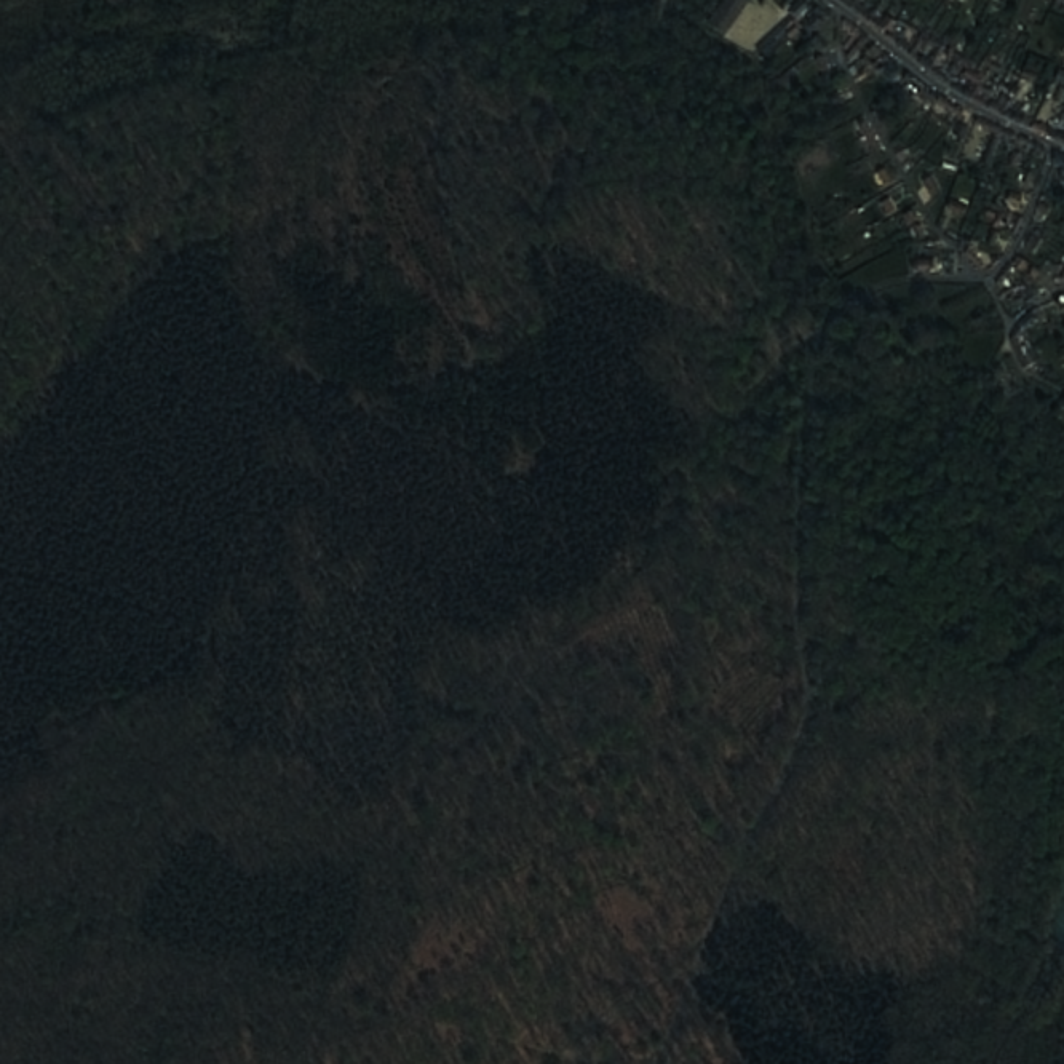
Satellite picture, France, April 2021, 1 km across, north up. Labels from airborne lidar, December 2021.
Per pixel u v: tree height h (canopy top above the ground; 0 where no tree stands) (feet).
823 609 65
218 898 52
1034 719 87
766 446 91
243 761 66
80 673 68
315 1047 73
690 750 81
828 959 84
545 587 75
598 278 64
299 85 57
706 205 131
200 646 57
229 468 74
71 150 111
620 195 104
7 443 85
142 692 76
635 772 78
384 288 38
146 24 24
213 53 76
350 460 58
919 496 61
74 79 60
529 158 126
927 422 104
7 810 40
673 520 72
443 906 79
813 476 80
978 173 26
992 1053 51
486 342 81
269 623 59
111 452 66
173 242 98
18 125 100
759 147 103
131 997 60
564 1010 83
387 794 76
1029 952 92
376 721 84
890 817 70
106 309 95
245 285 52
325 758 59
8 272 111
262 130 55
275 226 47
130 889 50
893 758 91
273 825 58
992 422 71
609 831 81
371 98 38
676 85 103
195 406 68
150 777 60
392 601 72
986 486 99
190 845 50
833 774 74
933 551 81
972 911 71
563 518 65
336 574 61
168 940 48
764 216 102
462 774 72
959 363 79
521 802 68
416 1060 69
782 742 82
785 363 30
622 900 0
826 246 35
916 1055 53
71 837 54
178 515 70
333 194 47
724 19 0
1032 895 66
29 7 22
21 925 48
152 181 126
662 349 92
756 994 95
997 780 78
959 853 72
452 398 43
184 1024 57
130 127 125
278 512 57
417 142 27
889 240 18
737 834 75
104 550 65
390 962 62
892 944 72
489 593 70
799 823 71
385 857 61
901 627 74
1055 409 39
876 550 73
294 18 90
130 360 76
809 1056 112
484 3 94
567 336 78
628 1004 97
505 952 76
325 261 43
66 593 68
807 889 73
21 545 63
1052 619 79
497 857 81
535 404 48
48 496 67
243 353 73
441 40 94
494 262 99
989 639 90
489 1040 66
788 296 94
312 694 77
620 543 76
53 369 73
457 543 57
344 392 51
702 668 75
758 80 62
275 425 69
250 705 61
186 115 115
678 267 94
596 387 67
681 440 69
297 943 50
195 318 66
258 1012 66
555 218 83
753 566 72
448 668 85
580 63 86
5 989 55
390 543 60
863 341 107
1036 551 56
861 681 73
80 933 55
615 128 122
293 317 55
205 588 69
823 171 0
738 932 80
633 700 76
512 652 75
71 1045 45
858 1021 94
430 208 20
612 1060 124
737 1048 31
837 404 40
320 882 52
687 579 80
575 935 79
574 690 84
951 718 84
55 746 73
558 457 70
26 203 115
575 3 87
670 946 31
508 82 99
